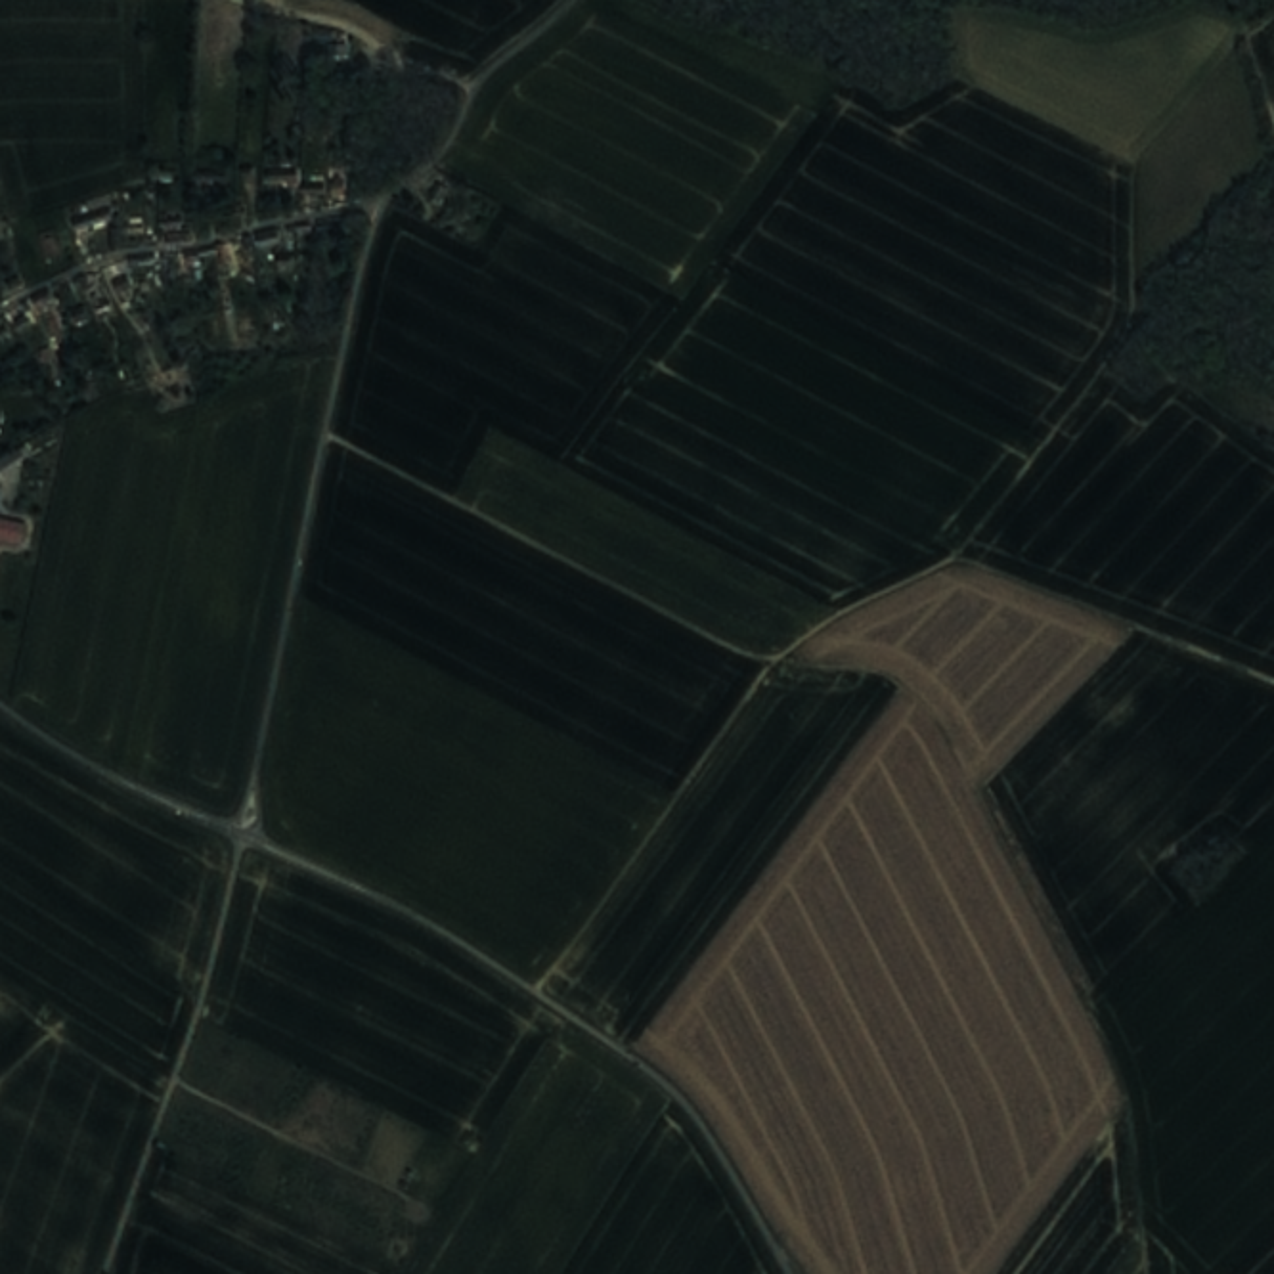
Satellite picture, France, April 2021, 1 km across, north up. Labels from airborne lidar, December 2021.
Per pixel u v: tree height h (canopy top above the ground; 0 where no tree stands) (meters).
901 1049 0
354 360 0
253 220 0
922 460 0
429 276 0
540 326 0
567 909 0
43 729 0
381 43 0
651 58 0
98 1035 0
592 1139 0
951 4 22
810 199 0
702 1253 0
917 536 0
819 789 0
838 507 0
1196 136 0
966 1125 0
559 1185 0
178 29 0
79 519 0
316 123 22
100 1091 0
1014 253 0
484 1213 0
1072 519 0
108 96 0
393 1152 0
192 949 0
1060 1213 0
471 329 0
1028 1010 0
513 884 0
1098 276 0
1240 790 0
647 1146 0
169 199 12
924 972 0
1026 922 0
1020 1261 0
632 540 0
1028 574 0
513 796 0
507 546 0
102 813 0
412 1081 0
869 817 0
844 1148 0
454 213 10
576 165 0
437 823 0
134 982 0
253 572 0
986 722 0
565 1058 0
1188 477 0
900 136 0
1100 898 0
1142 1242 0
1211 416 0
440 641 0
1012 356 0
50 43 0
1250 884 0
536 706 0
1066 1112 0
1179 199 0
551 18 0
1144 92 0
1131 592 0
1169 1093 0
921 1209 0
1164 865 0
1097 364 0
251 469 0
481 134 0
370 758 0
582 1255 0
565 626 0
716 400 0
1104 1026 0
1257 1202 0
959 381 0
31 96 0
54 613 0
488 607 0
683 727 0
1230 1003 0
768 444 0
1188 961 0
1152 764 0
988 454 0
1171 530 0
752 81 0
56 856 0
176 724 0
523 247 0
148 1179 0
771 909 0
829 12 26
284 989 0
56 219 0
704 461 0
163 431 0
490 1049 0
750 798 0
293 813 0
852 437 0
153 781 0
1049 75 0
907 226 0
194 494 0
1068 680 0
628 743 0
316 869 0
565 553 0
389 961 0
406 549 0
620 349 0
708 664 0
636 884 0
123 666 0
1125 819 0
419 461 0
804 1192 0
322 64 20
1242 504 0
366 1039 0
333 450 0
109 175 0
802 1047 0
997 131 0
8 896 0
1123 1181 0
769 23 22
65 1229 0
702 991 0
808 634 0
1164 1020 0
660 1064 0
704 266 0
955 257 0
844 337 0
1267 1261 0
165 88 0
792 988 0
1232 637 0
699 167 0
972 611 0
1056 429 0
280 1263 0
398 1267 0
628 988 0
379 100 23
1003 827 0
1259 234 22
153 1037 0
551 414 0
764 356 0
